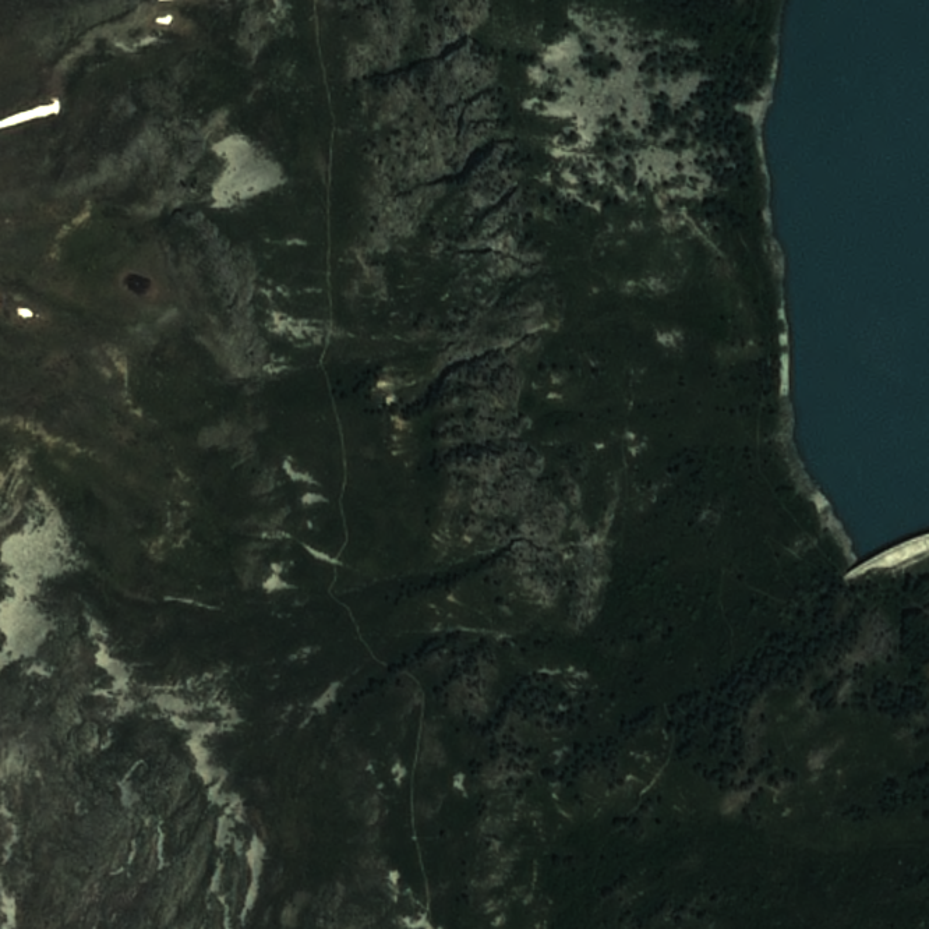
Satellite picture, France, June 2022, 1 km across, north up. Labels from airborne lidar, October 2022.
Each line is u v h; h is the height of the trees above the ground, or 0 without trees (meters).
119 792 0
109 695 0
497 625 0
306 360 0
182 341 0
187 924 0
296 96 0
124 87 0
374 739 0
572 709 9
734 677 9
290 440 0
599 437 0
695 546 0
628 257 0
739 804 0
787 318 0
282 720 0
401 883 0
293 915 0
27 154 0
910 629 19
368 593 0
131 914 0
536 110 0
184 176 0
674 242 0
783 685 9
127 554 0
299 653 0
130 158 0
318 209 0
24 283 0
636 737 10
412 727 0
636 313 0
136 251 0
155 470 0
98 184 0
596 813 0
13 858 0
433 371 0
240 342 0
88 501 0
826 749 0
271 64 0
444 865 0
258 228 0
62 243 0
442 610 0
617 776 15
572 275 0
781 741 0
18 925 0
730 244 0
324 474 0
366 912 0
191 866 0
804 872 0
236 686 0
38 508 0
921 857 0
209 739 0
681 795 0
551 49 0
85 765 0
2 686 0
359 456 0
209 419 0
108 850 0
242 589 0
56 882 0
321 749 0
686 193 0
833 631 7
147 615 0
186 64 0
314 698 0
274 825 0
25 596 0
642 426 0
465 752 0
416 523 0
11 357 0
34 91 0
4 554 0
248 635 0
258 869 0
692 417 0
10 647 0
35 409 0
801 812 0
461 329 7
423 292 0
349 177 0
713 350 0
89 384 0
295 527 0
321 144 0
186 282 0
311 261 0
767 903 8
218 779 0
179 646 0
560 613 0
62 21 0
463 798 0
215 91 0
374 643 0
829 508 0
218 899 0
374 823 0
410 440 0
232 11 0
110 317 0
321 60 0
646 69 9
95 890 0
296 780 0
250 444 0
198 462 0
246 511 0
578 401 0
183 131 0
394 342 0
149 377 0
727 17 10
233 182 0
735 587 0
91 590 0
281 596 0
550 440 0
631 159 11
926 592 18
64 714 0
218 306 0
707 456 8
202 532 0
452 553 0
